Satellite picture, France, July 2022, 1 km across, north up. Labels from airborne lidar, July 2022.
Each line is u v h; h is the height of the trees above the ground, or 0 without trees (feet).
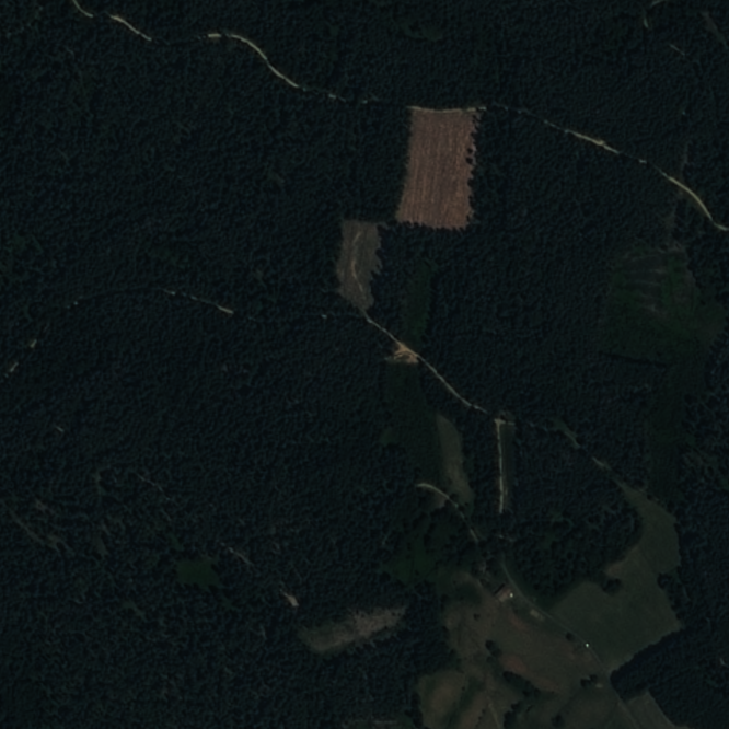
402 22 63
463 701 0
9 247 89
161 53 84
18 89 86
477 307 67
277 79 90
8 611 89
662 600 0
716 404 76
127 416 100
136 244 82
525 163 85
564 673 0
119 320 66
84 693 81
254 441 75
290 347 94
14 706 70
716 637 60
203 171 83
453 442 0
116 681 84
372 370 86
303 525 59
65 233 81
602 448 81
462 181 0
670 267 0
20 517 51
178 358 65
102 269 80
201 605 90
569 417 87
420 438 21
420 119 0
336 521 70
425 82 72
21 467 21
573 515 64
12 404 32
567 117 70
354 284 0
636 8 80
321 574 71
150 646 93
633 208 70
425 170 0
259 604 83
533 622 0
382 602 83
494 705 0
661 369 83
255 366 25
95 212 72
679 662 108
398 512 68
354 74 68
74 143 67
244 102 86
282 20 92
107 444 96
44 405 31
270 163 92
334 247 64
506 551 56
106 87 80
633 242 85
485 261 76
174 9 55
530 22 65
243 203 38
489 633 0
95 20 31
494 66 69
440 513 56
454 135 0
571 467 69
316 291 86
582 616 0
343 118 70
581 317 81
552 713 0
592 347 74
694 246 69
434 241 79
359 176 76
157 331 51
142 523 94
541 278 68
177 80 93
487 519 37
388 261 111
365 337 70
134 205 62
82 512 84
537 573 48
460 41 67
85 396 93
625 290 0
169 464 86
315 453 65
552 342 76
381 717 81
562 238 83
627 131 76
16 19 63
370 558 72
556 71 64
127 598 104
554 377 56
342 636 0
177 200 71
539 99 75
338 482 90
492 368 61
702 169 62
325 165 75
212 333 90
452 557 63
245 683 99
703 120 76
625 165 81
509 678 45
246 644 100
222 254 91
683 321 0
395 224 83
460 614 0
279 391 78
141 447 87
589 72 72
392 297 92
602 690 0
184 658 93
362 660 76
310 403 68
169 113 69
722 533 85
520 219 85
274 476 61
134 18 76
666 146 70
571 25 80
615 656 0
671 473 21
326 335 80
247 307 93
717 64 53
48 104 81
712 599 76
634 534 55
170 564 114
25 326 44
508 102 55
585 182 80
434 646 87
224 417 82
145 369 87
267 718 96
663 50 73
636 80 86
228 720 103
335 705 86
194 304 86
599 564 33
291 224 89
